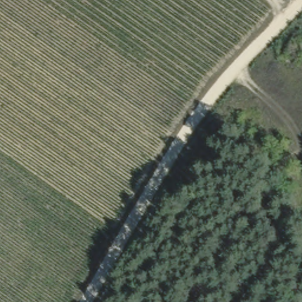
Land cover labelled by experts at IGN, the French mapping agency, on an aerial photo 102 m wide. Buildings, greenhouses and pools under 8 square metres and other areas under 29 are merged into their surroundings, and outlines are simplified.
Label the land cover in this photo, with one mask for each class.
<instances>
[{"label":"vineyard","instance_id":"1","mask_svg":"<svg viewBox=\"0 0 302 302\"><path fill-rule=\"evenodd\" d=\"M273 7L267 0H0V302H79L81 295L96 275L100 263L104 261L114 238L124 228L127 216L136 209L139 197L149 184L153 172L162 162L173 139L178 137L179 130L185 126L183 118L186 111L193 105V101H202L206 92L226 68L234 63L238 55L273 21Z\"/></svg>","mask_w":302,"mask_h":302},{"label":"coniferous trees","instance_id":"2","mask_svg":"<svg viewBox=\"0 0 302 302\"><path fill-rule=\"evenodd\" d=\"M223 126L216 136L206 139V144L209 145L208 158L203 163L195 164V168L191 170L190 185H184L182 191L162 199V203L159 204V215L156 219H147L144 235L132 245L130 254L117 264L111 276L116 280V295L107 298L105 302H302V254H295L296 244L291 241L293 235L287 234V230L290 229L289 217L294 215V209L282 202V191L270 190L265 180L277 176V170L287 168L290 162H295L297 155L285 151L289 147V142L282 139L280 132L276 129L264 130L258 124H251V119H247V112H242L241 109H234L231 114H219Z\"/></svg>","mask_w":302,"mask_h":302},{"label":"herbaceous vegetation","instance_id":"3","mask_svg":"<svg viewBox=\"0 0 302 302\"><path fill-rule=\"evenodd\" d=\"M250 78L264 91L254 96L247 87L235 81L226 86L215 104H212L211 109L205 112L204 117L186 136L183 149L170 166L168 175L153 192L150 205L147 206L138 224L130 231V236L126 238L122 247L130 254L132 245L144 235L147 219H156L159 215V204L162 203V199L182 191L184 185H190L191 170L195 168V164L203 163L208 158L209 145L206 144V139L216 136L223 126L219 114H231L234 109H241L242 112H247V119H251V124H258L264 130L276 129L280 132L282 139L289 142V147L285 151L297 155L295 162H290L287 168V175L298 184V190L282 191V202L294 209V215L289 217L290 229L287 230V234L293 235L291 241L296 244L295 254H302V67L295 66L294 61L278 63V59L273 57V52L267 45L248 65ZM116 280L111 276L105 277V283L100 285L93 302H105L107 298L116 295Z\"/></svg>","mask_w":302,"mask_h":302},{"label":"pervious surface","instance_id":"4","mask_svg":"<svg viewBox=\"0 0 302 302\"><path fill-rule=\"evenodd\" d=\"M273 7V21L238 55L234 63L226 68L206 92L202 101H193V105L186 111L183 118L185 126L179 130L178 137L173 139L162 162L153 172L149 184L139 197L136 209L127 216L124 228L114 238L104 261L100 263L96 275L81 295L79 302H93L100 285L105 283V277L111 276L117 264L130 254L122 247L126 238L130 236V231L138 224L147 206L150 205L153 192L168 175L170 166L183 149L186 136L204 117L205 112L211 109L212 104H215L226 86L235 81L247 87L254 96L264 91L250 78L248 65L267 45L302 9V0H267Z\"/></svg>","mask_w":302,"mask_h":302},{"label":"brushwood","instance_id":"5","mask_svg":"<svg viewBox=\"0 0 302 302\"><path fill-rule=\"evenodd\" d=\"M273 52V57L278 59V63L294 61L295 66L302 67V9L267 45Z\"/></svg>","mask_w":302,"mask_h":302},{"label":"deciduous trees","instance_id":"6","mask_svg":"<svg viewBox=\"0 0 302 302\"><path fill-rule=\"evenodd\" d=\"M270 190L282 191L298 190V184L287 175V168L277 170V176L265 180Z\"/></svg>","mask_w":302,"mask_h":302}]
</instances>
